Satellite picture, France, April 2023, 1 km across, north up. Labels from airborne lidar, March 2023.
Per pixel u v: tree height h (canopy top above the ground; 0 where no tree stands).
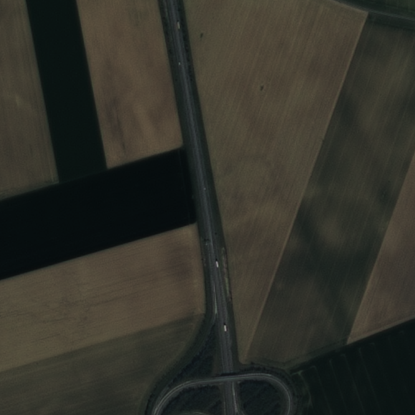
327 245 0
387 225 0
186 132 0
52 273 0
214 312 0
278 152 0
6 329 0
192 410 10
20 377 0
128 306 0
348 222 0
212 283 0
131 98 0
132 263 0
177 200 0
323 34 0
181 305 0
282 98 0
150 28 0
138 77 0
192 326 0
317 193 0
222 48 0
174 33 0
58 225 0
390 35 0
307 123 0
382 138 0
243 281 0
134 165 0
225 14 0
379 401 0
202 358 10
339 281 0
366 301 0
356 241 0
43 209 0
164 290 0
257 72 0
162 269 0
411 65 0
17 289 0
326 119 0
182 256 0
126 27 0
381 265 0
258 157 0
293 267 0
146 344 0
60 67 0
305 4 0
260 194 0
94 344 0
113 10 0
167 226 0
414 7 0
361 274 0
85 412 0
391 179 0
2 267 0
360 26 0
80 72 0
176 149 0
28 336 0
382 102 0
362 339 0
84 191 0
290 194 0
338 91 0
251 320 0
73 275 0
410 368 0
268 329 0
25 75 0
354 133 0
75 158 0
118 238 0
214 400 9
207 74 0
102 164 0
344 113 0
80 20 0
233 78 0
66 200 0
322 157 0
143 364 0
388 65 0
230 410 0
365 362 0
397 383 0
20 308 0
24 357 0
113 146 0
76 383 0
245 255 0
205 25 0
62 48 0
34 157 0
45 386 0
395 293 0
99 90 0
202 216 0
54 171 0
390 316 0
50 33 0
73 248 0
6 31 0
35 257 0
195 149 0
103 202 0
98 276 0
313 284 0
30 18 0
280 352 0
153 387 0
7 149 0
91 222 0
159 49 0
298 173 0
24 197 0
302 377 0
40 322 0
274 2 0
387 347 0
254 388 10
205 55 0
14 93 0
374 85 0
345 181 0
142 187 0
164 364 0
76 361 0
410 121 0
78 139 0
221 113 0
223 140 0
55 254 0
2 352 0
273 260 0
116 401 0
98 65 0
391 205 0
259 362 0
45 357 0
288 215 0
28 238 0
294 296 0
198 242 0
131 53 0
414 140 0
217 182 0
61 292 0
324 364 0
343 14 0
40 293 0
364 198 0
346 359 0
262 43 0
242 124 0
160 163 0
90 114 0
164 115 0
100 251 0
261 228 0
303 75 0
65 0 0
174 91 0
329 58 0
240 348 0
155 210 0
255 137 0
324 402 0
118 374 0
